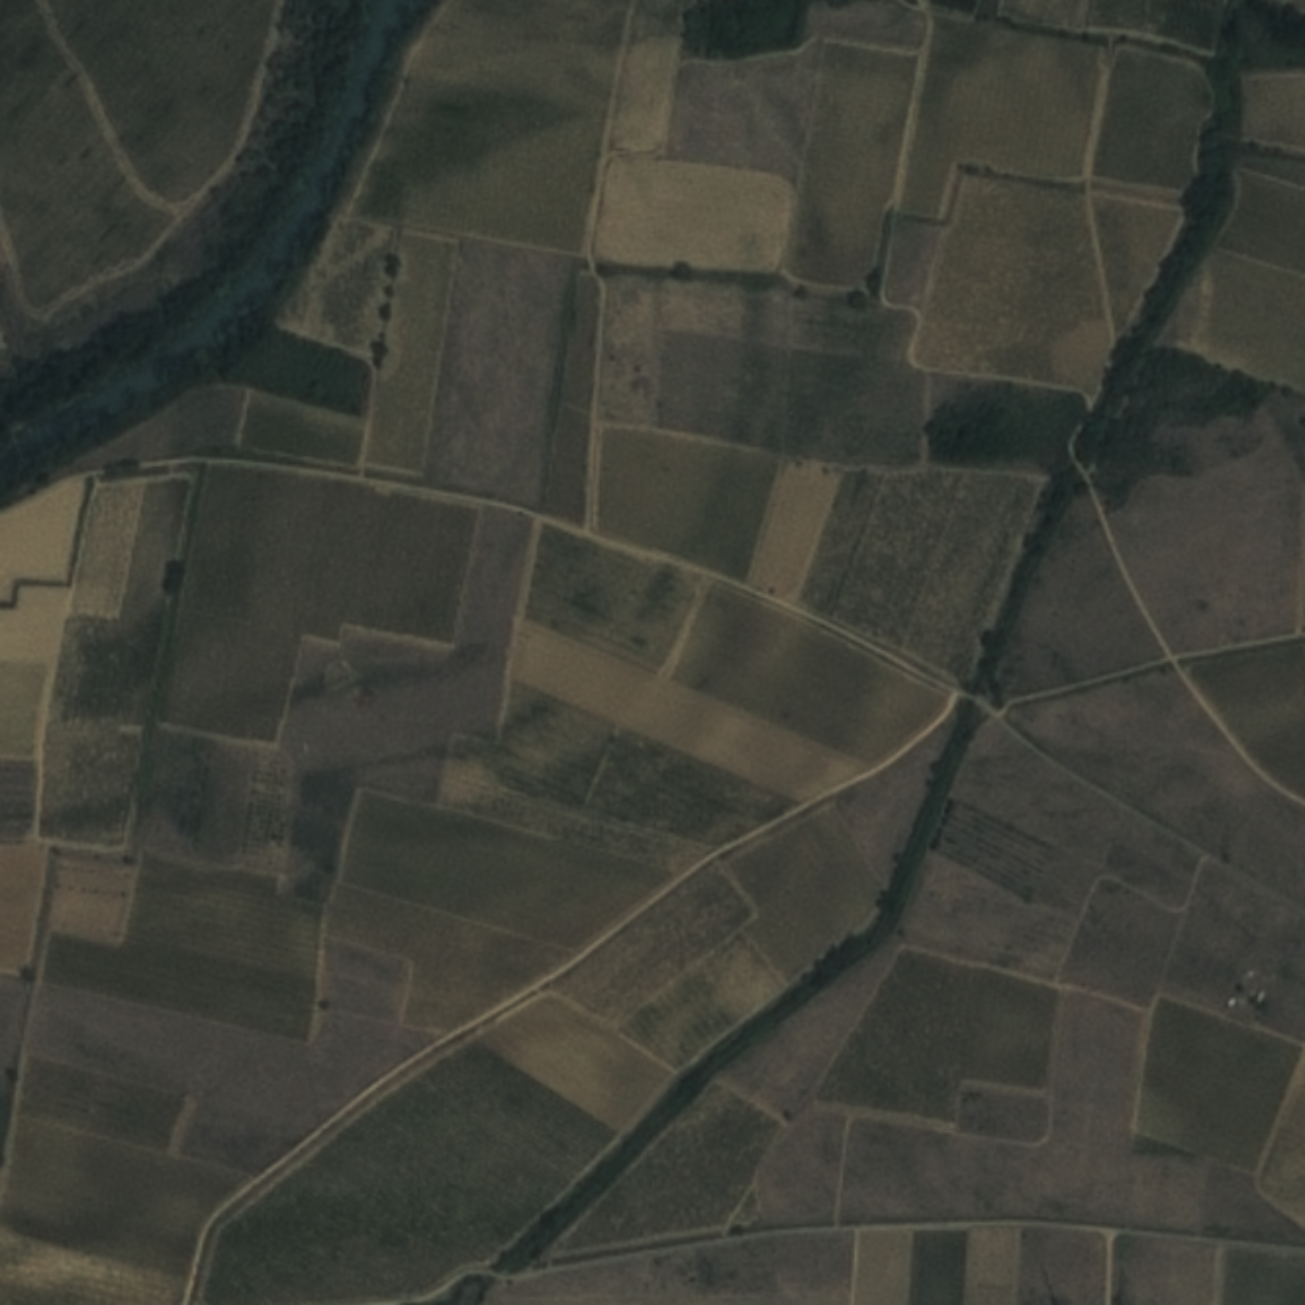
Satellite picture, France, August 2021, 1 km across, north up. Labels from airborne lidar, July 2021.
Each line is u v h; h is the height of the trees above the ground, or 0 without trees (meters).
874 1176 0
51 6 0
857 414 0
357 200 0
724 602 0
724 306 0
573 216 0
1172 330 0
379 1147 0
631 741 0
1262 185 0
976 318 0
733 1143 0
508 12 0
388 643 0
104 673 0
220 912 0
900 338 0
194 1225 0
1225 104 6
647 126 0
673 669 0
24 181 0
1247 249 0
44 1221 0
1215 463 0
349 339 0
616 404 0
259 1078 0
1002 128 0
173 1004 0
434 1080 0
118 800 0
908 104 0
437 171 0
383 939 0
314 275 0
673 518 0
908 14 0
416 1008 0
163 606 0
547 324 0
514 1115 0
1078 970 0
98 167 0
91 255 0
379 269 0
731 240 0
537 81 0
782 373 0
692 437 0
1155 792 0
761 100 0
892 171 0
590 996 0
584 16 0
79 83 0
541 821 0
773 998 0
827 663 0
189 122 0
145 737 0
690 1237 0
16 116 0
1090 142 0
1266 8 15
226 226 6
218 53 0
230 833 0
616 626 0
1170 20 0
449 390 0
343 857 0
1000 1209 0
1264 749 0
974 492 0
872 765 0
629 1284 0
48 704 0
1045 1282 0
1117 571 0
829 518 0
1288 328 0
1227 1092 0
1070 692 0
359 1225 0
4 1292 0
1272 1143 0
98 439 25
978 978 0
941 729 0
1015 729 0
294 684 0
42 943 0
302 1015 0
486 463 0
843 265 0
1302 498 0
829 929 0
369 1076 0
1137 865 0
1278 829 0
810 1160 0
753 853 0
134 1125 0
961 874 0
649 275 0
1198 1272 0
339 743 0
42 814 0
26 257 0
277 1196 0
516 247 0
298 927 0
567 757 0
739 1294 0
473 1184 0
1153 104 0
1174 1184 0
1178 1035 0
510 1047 0
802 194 0
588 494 0
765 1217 0
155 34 0
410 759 0
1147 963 0
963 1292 0
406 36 13
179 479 0
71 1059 0
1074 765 0
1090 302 0
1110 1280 0
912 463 0
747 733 0
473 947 0
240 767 0
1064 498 11
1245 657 0
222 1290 0
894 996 0
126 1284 0
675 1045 0
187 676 0
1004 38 0
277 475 0
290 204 16
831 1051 0
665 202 0
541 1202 0
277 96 7
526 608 0
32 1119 0
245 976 0
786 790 0
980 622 0
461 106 0
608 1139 0
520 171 0
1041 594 0
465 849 0
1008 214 0
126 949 0
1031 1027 0
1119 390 7
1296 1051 0
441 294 0
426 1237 0
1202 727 0
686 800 0
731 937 0
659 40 0
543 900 0
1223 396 7
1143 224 0
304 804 0
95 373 26
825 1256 0
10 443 23
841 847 0
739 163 0
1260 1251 0
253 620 0
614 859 0
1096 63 0
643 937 0
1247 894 0
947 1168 0
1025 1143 0
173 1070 0
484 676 0
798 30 9
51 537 0
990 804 0
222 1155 0
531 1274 0
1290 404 0
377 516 0
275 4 0
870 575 0
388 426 0
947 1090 0
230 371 10
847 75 0
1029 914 0
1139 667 0
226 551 0
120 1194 0
